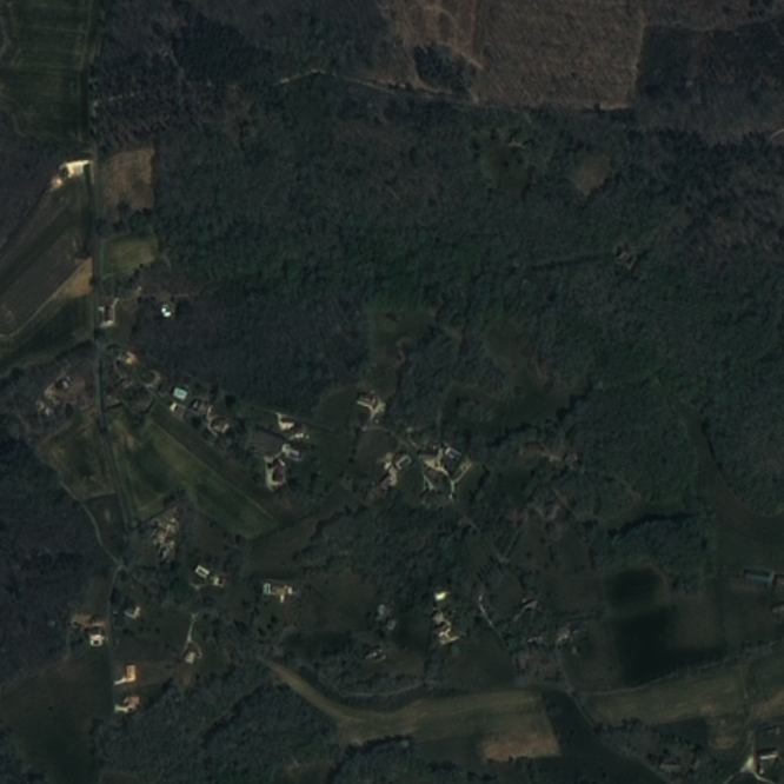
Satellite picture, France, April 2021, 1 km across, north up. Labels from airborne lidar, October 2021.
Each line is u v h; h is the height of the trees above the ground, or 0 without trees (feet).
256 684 55
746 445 54
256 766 55
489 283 70
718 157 39
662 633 0
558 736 25
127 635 27
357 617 0
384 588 49
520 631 21
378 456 0
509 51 82
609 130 55
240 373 49
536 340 47
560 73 81
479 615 34
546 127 77
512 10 81
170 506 42
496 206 70
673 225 46
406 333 0
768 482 52
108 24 39
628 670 0
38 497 48
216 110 77
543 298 64
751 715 0
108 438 52
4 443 0
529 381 0
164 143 73
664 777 31
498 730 0
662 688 0
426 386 68
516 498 0
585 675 0
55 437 43
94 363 73
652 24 48
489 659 0
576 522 45
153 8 46
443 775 68
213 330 50
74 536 52
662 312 78
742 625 0
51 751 0
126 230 51
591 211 62
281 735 52
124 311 0
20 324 0
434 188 49
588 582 0
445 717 0
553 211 61
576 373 57
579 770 0
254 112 56
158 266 42
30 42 0
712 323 52
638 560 67
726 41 23
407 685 58
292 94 39
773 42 26
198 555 30
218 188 70
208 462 0
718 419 70
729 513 0
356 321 74
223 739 66
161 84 79
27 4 0
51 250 0
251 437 64
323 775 0
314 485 25
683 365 53
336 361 53
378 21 50
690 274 52
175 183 71
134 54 50
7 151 28
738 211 45
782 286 64
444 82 63
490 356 61
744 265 66
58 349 0
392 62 55
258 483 53
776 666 0
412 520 47
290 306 63
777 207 40
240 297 39
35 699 0
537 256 60
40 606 52
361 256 68
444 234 64
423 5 0
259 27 56
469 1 0
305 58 70
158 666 0
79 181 0
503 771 0
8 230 33
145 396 45
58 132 0
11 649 40
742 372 64
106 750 52
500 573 44
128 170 0
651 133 36
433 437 50
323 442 0
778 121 61
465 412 73
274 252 83
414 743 42
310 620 0
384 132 64
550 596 28
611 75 80
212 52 77
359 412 0
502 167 0
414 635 0
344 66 63
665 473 63
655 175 49
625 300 45
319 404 48
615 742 59
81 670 0
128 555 61
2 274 0
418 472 23
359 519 47
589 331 76
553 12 75
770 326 62
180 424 0
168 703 64
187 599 68
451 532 22
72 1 0
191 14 81
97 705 0
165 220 66
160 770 48
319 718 26
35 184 30
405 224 65
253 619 31
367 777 65
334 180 47
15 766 49
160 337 55
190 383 35
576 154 44
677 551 63
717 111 68
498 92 73
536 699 0
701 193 64
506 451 44
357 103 59
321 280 74
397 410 50
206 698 66
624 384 75
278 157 74
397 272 77
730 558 0
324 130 42
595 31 76
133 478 0
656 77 27
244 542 35
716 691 0
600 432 43
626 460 58
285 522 0
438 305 77
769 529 0
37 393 38
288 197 53
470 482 0
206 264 87
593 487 62
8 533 38
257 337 65
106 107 69
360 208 56
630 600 0
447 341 47
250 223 61
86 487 0
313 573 35
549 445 53
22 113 0
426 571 39
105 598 0
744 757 0
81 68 0
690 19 38
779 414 59
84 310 0
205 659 0
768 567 0
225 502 0
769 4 46
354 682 52
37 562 24
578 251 53
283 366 65
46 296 0
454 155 59
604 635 0
